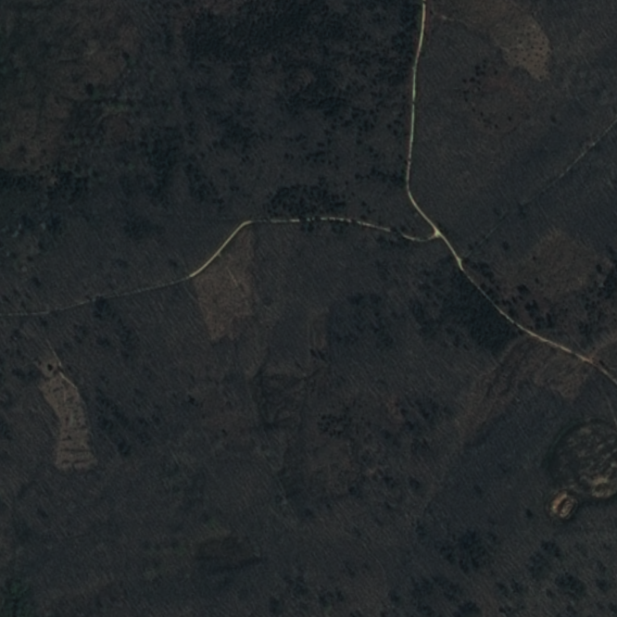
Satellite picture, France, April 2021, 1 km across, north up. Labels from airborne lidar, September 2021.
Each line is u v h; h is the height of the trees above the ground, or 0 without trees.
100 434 17
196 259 17
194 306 19
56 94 7
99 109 18
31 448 20
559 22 20
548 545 13
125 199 14
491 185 13
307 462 6
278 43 8
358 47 8
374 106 7
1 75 22
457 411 20
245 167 9
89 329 18
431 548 20
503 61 9
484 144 13
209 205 10
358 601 16
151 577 22
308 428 10
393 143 6
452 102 9
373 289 16
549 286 6
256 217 8
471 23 6
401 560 19
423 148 12
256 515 22
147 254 13
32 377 21
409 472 17
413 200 8
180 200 15
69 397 0
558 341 12
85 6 6
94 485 18
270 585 21
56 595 21
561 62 22
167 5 9
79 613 11
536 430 22
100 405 19
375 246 13
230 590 20
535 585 18
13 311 12
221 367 19
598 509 13
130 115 11
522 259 12
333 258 15
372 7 10
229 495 18
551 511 0
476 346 15
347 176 7
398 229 10
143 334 17
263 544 20
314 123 10
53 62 6
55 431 17
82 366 18
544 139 12
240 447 11
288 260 16
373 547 22
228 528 18
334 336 17
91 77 8
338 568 17
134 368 16
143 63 18
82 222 19
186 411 15
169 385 17
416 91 8
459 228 13
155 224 16
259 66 7
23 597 17
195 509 20
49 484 19
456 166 13
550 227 20
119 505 20
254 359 15
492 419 10
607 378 13
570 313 8
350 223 8
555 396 22
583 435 0
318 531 17
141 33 15
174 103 11
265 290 19
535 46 0
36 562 19
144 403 19
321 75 6
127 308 15
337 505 17
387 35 9
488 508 18
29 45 6
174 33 11
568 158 10
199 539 17
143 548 19
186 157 12
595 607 18
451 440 21
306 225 23
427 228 11
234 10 7
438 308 20
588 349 20
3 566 18
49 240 18
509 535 16
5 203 15
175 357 14
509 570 16
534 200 14
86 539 17
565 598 22
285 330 16
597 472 0
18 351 17
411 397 16
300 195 6
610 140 13
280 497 22
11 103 6
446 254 12
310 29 8
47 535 17
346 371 17
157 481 18
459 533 21
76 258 19
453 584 20
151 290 15
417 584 22
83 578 22
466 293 20
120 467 20
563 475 0
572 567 18
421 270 15
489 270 18
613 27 17
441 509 18
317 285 17
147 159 20
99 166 17
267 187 10
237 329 12
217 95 15
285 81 7
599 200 20
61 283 19
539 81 12
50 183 10
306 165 9
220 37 7
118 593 13
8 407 18
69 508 23
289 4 9
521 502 13
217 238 17
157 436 18
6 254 25
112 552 18
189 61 12
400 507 22
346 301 16
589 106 13
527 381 7
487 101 9
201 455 21
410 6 11
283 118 10
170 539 17
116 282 15
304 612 21
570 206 21
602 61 16
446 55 12
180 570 18
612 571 19
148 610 18
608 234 18
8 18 13
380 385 16
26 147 7
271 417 5
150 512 19
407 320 20
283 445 9
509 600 20
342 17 6
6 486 22
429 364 20
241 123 8
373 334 21
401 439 18
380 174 8
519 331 17
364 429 7
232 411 15
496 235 15
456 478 22
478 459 22
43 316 17
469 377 13
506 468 19
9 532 17
